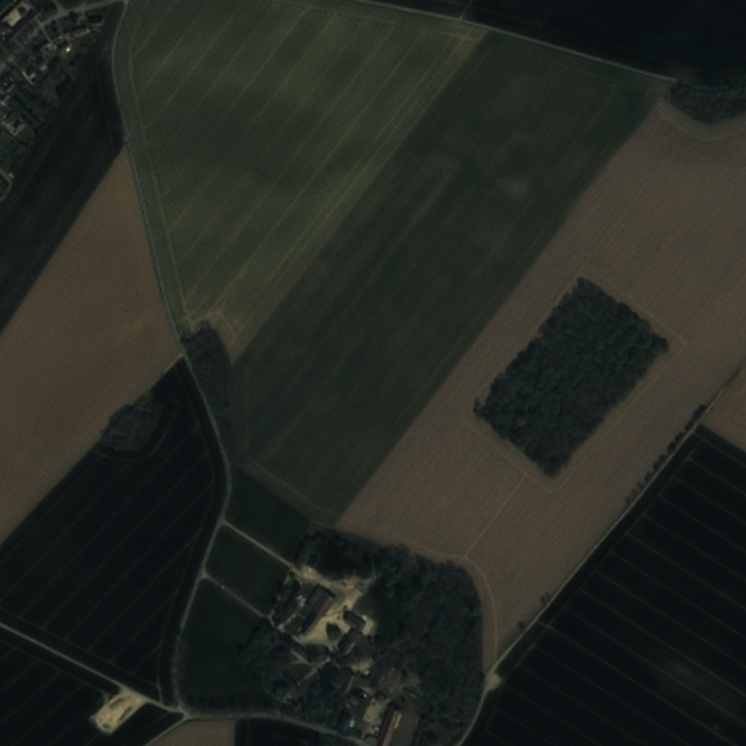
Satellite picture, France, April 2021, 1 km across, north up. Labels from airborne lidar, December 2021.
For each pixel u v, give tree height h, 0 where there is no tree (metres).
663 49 0
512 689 0
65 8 0
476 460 0
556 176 0
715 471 0
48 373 0
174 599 0
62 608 0
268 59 0
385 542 0
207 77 0
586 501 0
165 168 0
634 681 0
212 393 15
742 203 0
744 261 0
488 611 0
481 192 0
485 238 0
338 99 0
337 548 0
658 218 0
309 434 0
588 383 24
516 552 0
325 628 0
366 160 0
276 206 0
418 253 0
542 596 0
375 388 0
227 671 0
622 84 0
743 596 0
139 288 0
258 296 0
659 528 0
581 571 0
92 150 0
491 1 0
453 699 14
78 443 0
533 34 0
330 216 0
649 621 0
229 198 0
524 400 19
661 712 0
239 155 0
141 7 0
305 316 0
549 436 23
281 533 0
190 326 0
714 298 0
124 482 0
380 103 0
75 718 0
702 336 0
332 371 0
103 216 0
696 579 0
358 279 0
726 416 0
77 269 0
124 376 0
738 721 0
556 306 0
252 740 0
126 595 0
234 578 0
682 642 0
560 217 0
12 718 0
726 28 0
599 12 0
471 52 0
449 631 22
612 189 0
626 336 18
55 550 0
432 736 12
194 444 0
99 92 0
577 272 0
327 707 17
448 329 0
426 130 0
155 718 0
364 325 0
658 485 0
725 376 0
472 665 21
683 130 0
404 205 0
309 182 0
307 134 0
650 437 0
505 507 0
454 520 0
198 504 0
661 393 0
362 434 0
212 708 18
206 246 0
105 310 0
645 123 0
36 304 0
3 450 0
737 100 12
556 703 0
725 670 0
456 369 0
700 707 0
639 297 0
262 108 0
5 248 0
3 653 0
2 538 0
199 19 0
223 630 0
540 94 0
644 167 0
